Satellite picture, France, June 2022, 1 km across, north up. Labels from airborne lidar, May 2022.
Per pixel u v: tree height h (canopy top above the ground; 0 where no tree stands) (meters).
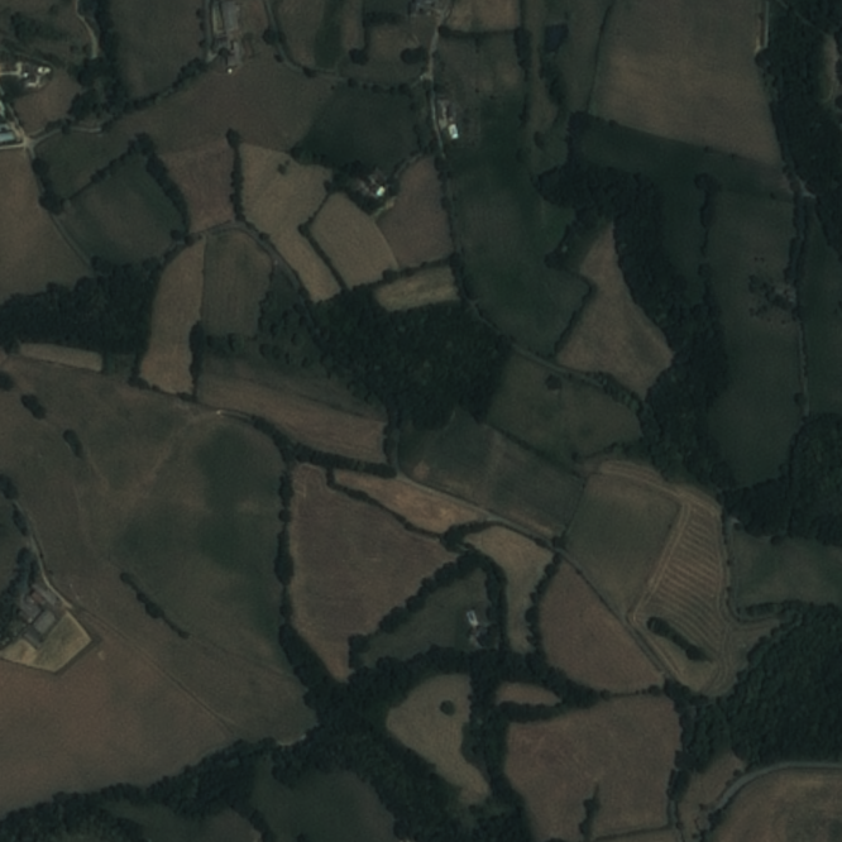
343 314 8
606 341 0
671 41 0
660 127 0
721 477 19
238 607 0
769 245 0
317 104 0
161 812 0
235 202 13
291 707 0
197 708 0
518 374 0
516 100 0
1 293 0
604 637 0
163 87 0
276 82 0
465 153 0
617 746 0
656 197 19
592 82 0
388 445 14
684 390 21
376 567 0
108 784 0
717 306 17
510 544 0
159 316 0
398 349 16
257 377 0
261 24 0
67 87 0
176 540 0
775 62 10
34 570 21
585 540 0
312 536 0
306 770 13
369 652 10
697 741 9
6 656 0
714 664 0
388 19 8
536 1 0
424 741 0
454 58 0
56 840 16
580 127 22
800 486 8
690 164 0
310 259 0
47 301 19
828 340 0
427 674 15
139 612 0
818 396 0
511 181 0
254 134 0
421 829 17
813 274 0
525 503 0
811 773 0
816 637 14
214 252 0
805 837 0
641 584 0
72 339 18
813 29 11
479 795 0
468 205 0
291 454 12
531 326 0
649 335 0
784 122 17
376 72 0
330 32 0
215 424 0
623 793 0
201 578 0
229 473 0
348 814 0
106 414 0
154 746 0
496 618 13
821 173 18
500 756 11
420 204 0
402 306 0
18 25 11
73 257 0
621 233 18
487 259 0
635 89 0
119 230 0
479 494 0
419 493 0
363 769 14
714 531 0
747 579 0
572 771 0
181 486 0
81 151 0
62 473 0
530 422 0
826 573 0
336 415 0
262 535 0
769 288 9
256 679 0
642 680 0
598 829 0
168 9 0
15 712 0
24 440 0
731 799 7
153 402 0
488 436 0
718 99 0
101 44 10
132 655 0
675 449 17
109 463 0
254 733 0
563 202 16
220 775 15
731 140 0
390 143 0
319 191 0
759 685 15
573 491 0
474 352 12
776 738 12
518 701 0
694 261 0
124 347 20
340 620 0
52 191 13
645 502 0
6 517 0
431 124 11
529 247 0
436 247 0
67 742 0
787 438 0
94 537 0
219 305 0
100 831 15
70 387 0
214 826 0
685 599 0
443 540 6
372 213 6
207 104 0
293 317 16
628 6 0
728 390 18
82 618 0
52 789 0
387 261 0
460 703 0
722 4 0
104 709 0
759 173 0
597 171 20
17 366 0
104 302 19
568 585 0
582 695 27
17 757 0
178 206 14
